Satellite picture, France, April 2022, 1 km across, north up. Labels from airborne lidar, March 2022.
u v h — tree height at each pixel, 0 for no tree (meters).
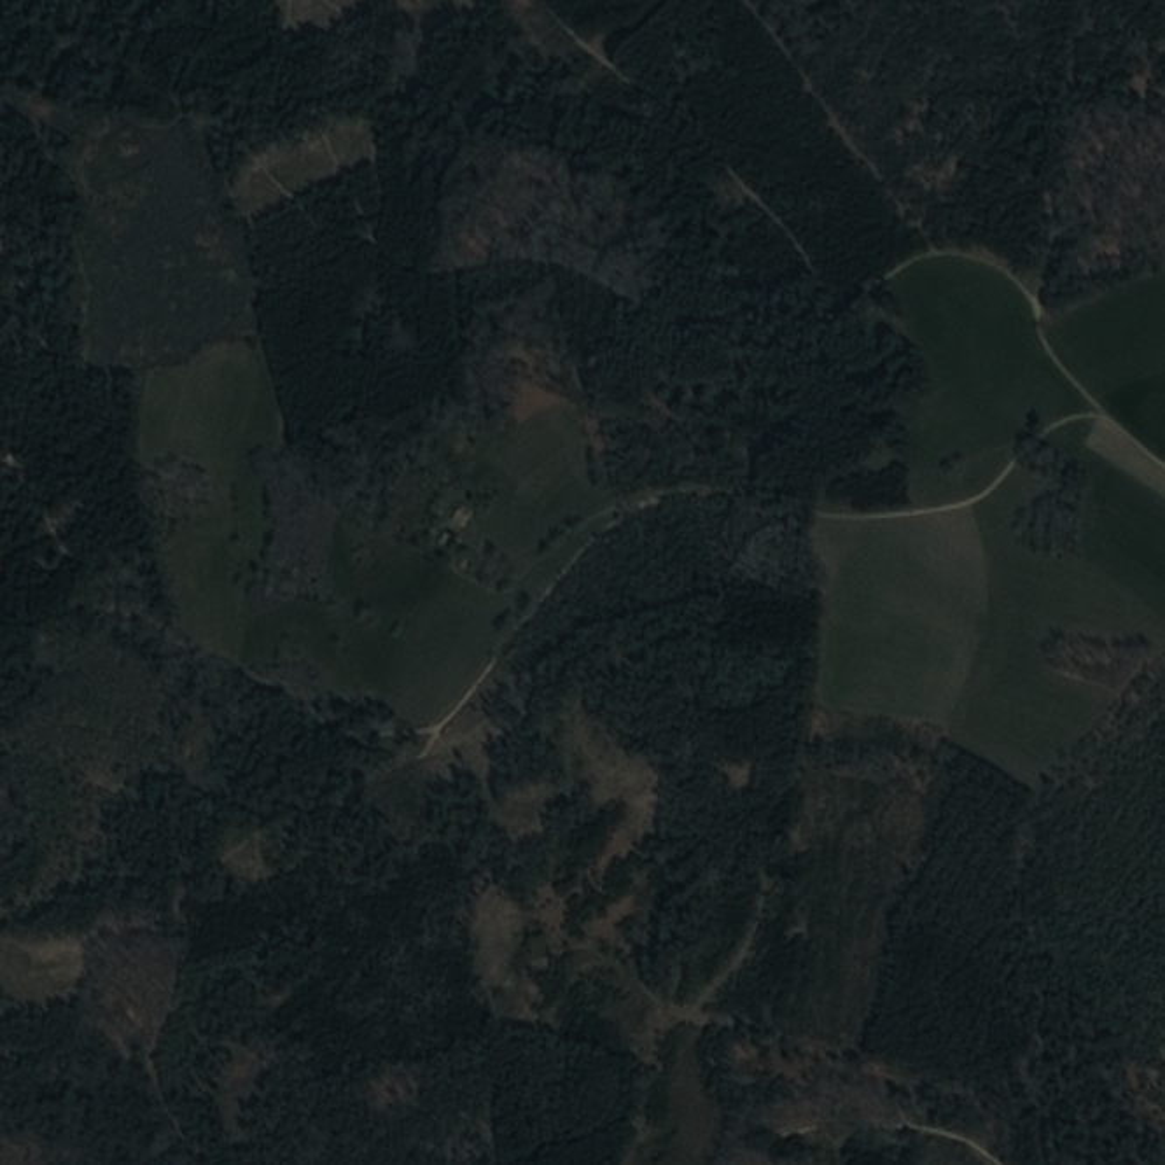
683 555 12
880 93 10
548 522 0
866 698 0
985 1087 24
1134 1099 11
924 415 0
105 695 13
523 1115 28
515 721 22
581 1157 30
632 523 9
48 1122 20
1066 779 10
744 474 7
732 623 15
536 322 8
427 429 16
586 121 28
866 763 23
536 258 29
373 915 6
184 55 18
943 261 0
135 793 15
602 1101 24
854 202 9
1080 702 0
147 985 30
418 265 18
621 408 23
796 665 16
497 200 31
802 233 9
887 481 9
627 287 25
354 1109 21
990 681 0
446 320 22
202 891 25
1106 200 25
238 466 0
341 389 20
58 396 22
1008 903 16
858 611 0
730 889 9
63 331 23
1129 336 0
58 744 11
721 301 26
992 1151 8
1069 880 13
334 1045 7
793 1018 6
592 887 7
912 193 8
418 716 0
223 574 0
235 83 29
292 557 12
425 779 0
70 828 12
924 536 0
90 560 20
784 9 20
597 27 35
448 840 22
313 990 7
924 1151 10
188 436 0
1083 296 19
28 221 9
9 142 13
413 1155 16
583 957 0
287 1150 16
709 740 22
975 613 0
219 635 0
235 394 0
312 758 24
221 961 12
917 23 8
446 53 34
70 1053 24
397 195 18
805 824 8
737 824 20
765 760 20
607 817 10
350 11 0
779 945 9
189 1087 11
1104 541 0
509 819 0
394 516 19
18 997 0
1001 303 0
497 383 14
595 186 33
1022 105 7
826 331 28
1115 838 11
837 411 31
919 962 23
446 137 36
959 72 9
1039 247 11
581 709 17
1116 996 12
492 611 0
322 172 0
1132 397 0
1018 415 0
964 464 14
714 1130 0
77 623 14
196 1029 9
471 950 7
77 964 0
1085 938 11
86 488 25
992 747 0
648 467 7
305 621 0
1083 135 25
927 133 8
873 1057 23
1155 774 12
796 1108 27
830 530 0
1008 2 10
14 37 24
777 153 12
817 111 9
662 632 24
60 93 21
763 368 25
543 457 0
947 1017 19
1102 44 12
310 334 18
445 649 0
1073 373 0
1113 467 0
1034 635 0
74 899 26
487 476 0
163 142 0
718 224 28
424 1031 7
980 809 19
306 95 26
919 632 0
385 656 0
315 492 16
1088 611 0
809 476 27
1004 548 0
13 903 7
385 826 25
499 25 23
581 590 7
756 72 10
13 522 25
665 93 27
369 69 23
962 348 0
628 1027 0
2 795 15
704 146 25
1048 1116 10
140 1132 20
